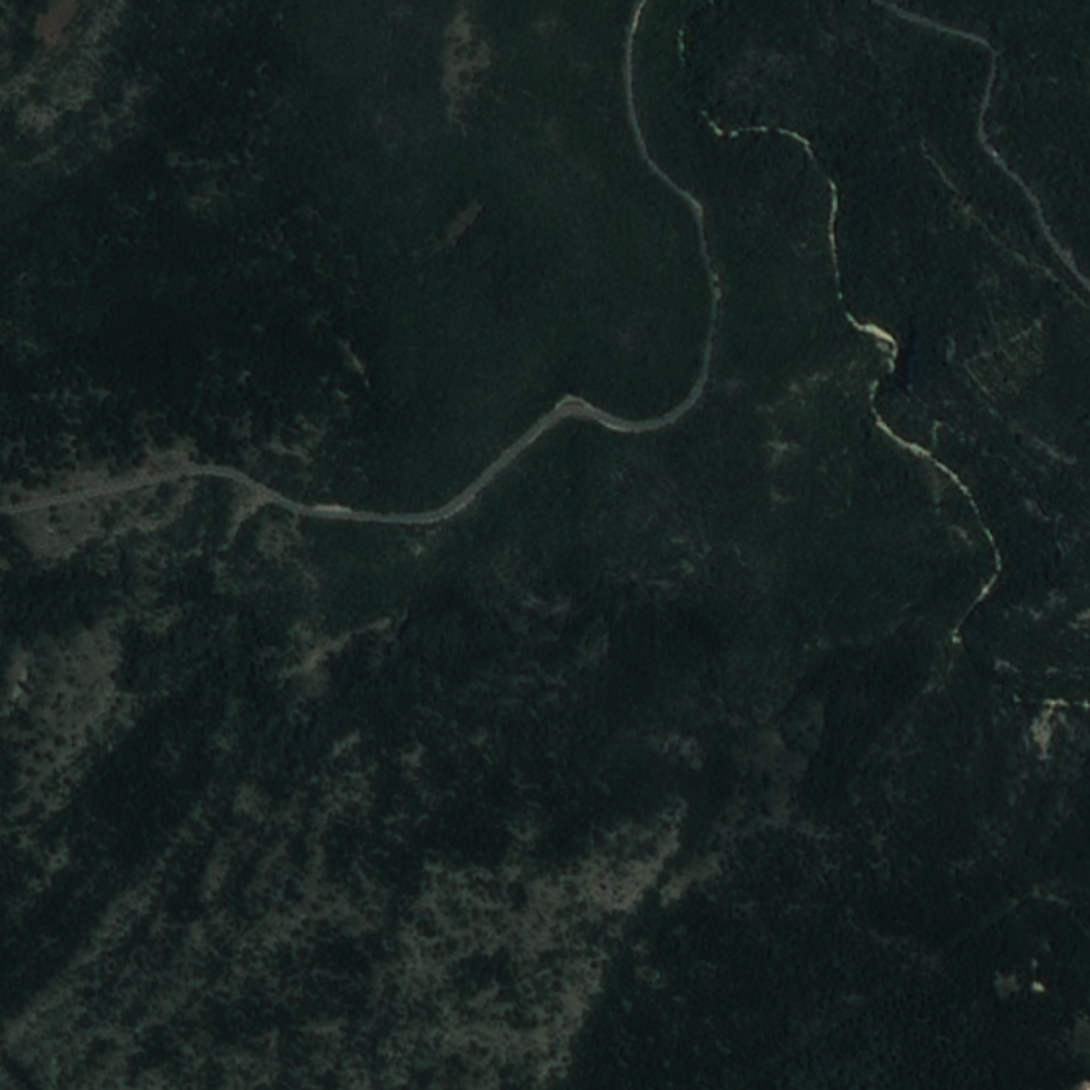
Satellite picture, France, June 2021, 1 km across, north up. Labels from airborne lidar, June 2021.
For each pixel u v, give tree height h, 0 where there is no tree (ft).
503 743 19
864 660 29
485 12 19
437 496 21
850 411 34
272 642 33
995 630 19
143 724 24
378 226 21
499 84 20
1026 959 45
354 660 24
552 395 29
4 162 19
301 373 38
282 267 25
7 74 17
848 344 20
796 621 27
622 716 27
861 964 31
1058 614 19
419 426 24
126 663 34
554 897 0
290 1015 19
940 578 39
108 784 37
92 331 32
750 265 27
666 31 28
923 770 22
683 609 52
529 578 19
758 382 20
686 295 26
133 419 28
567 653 19
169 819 19
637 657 35
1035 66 19
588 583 32
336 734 23
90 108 25
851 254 25
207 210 20
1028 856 29
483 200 19
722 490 19
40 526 0
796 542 23
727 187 20
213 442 25
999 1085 31
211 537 21
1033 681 28
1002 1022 38
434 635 52
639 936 28
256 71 22
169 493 42
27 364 30
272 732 40
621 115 22
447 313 20
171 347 47
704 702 35
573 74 19
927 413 19
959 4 24
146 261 36
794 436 21
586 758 20
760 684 23
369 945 20
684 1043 23
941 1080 28
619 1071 26
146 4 21
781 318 23
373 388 31
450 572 29
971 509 24
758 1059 34
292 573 18
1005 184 20
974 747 30
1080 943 39
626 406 18
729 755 31
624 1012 19
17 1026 0
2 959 25
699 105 37
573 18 26
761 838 22
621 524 25
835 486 18
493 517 33
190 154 20
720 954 24
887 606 22
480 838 24
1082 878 31
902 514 26
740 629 25
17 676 0
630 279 21
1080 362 18
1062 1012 34
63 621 43
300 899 20
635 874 0
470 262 18
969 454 21
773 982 24
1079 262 22
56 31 0
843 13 29
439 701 28
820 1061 39
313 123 21
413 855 19
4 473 39
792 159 48
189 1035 20
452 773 21
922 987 26
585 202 18
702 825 28
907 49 29
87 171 28
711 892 21
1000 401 20
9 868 23
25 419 31
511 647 23
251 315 49
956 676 32
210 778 22
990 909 40
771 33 22
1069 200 19
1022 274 19
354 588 32
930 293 32
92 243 29
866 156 23
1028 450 20
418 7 19
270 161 19
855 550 28
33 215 36
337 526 20
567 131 19
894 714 27
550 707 23
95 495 0
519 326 21
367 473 21
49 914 18
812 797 23
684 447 21
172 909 19
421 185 18
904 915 33
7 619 35
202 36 24
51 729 0
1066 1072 36
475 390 17
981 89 24
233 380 32
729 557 19
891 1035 21
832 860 24
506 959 22
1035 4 24
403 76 26
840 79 27
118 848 19
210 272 31
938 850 31
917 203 31
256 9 21
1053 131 19
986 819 23
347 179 19
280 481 24
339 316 37
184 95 27
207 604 22
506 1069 20
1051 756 26
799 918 20
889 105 27
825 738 28
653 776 42
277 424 27
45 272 32
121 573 30
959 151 21
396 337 24
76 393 24
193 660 19
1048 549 27
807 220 20
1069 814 22
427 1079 18
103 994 17
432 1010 18
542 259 21
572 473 31
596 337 18
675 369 21
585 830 19
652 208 25
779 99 22
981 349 23
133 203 31
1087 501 20
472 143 21
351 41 18
